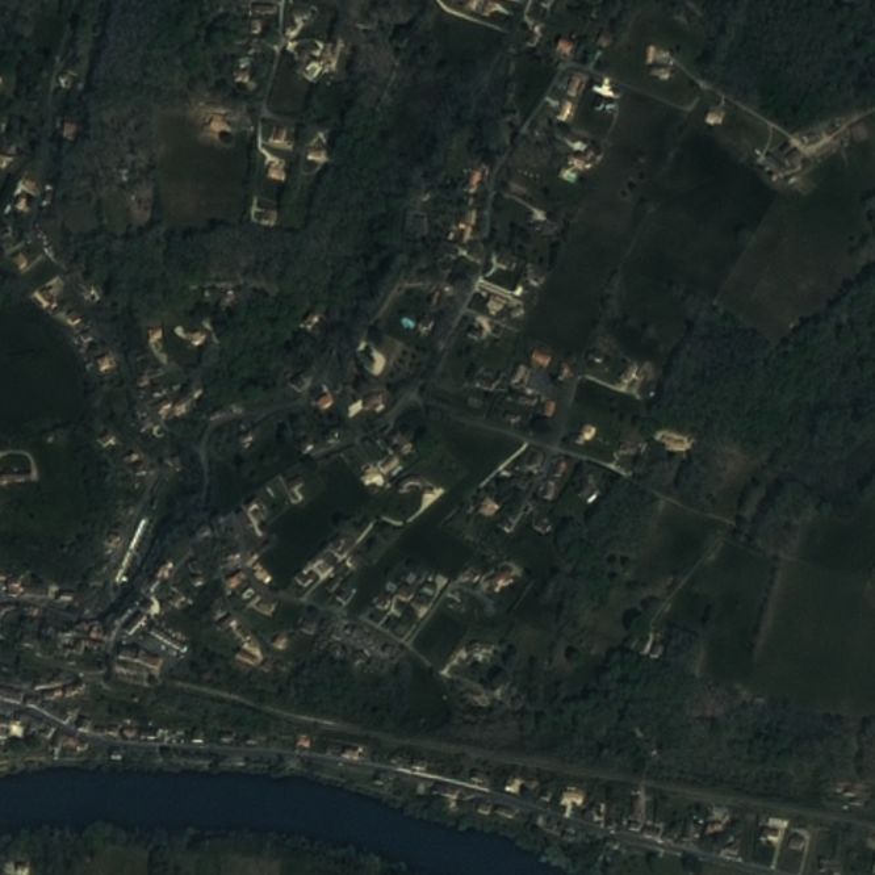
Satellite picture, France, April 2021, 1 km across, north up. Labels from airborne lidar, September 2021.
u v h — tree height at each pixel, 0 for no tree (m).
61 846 19
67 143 15
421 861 0
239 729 15
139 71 20
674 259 0
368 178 27
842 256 0
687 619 0
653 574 0
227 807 0
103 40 18
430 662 0
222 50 21
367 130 19
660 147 0
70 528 0
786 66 9
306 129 13
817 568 0
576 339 0
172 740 0
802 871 0
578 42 6
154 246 18
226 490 0
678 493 18
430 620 0
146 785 0
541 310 0
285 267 17
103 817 0
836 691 0
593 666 0
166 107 19
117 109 13
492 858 0
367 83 19
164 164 0
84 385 6
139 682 12
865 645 0
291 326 18
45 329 8
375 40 16
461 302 16
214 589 0
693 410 24
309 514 0
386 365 0
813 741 24
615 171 0
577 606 24
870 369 26
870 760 21
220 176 0
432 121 26
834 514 8
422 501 0
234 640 7
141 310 20
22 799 0
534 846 14
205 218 0
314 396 9
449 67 15
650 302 0
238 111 18
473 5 0
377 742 11
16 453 0
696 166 0
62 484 0
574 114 0
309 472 9
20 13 18
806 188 0
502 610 9
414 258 8
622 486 20
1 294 16
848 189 0
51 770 0
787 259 0
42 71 9
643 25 0
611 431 0
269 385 22
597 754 9
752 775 20
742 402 23
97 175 13
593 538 16
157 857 14
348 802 0
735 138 0
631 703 19
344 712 13
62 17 7
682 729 18
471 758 13
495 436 0
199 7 20
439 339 19
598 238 0
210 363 20
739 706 15
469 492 0
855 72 27
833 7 17
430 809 20
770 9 11
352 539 15
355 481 0
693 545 0
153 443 15
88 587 12
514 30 12
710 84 17
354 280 25
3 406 0
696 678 7
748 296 0
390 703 21
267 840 13
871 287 26
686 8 11
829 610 0
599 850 9
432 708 0
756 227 0
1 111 11
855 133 0
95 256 13
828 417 34
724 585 0
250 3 13
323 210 21
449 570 0
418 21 19
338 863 8
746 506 17
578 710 20
